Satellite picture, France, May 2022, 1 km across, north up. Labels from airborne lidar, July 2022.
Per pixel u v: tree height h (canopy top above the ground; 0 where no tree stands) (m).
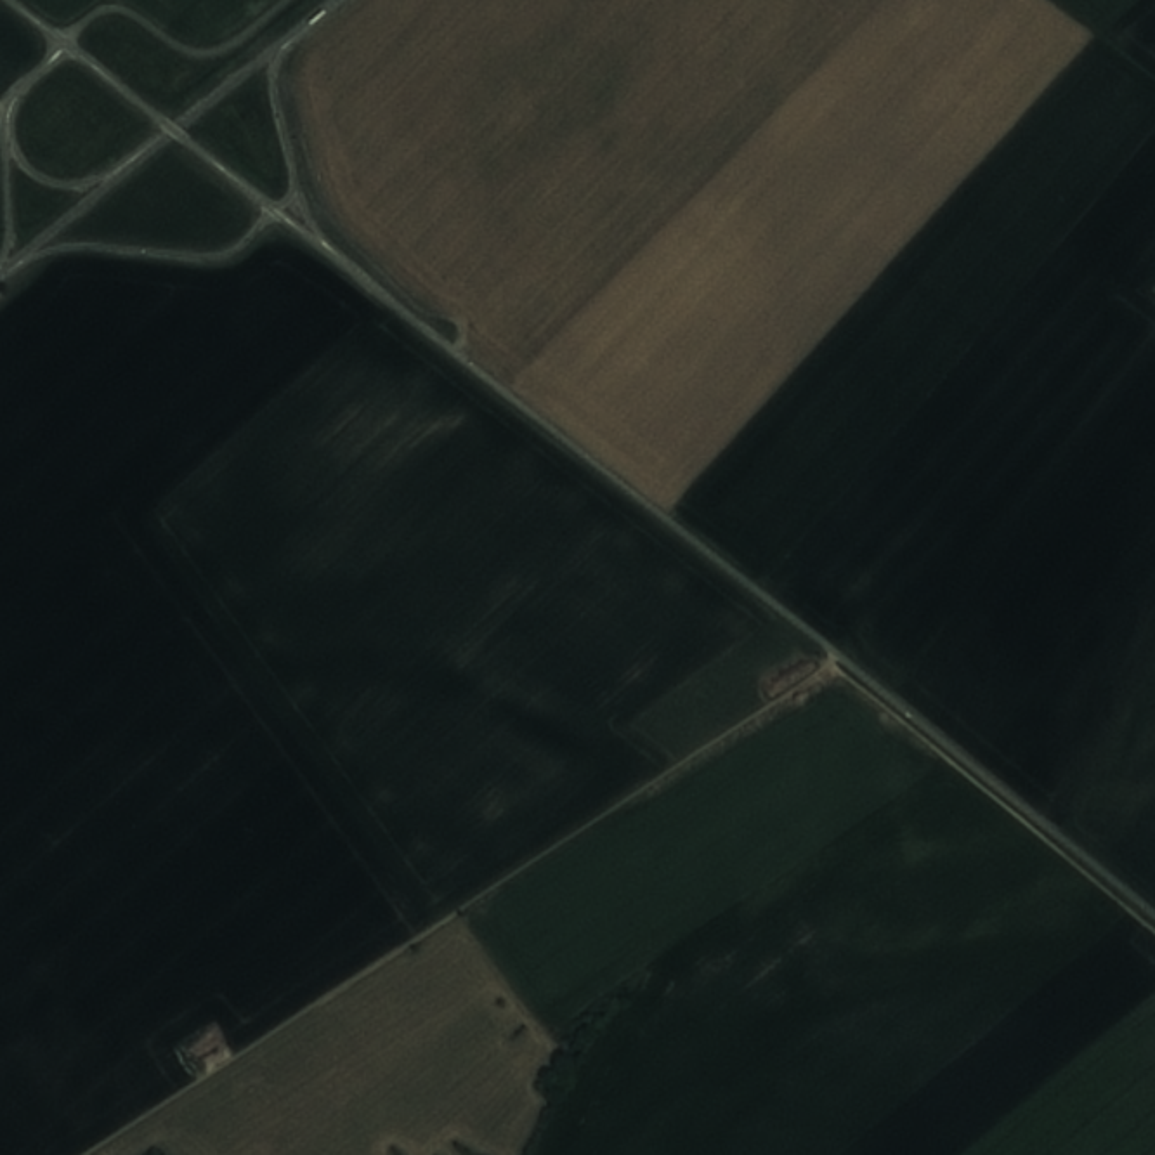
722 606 0
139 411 0
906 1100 0
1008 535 0
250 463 0
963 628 0
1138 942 0
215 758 0
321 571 0
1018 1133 0
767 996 0
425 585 0
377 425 0
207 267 0
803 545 0
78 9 0
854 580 0
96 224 0
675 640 0
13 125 0
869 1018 0
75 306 0
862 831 0
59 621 0
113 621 0
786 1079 0
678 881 0
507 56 0
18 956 0
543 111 0
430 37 0
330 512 0
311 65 0
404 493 0
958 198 0
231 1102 0
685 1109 0
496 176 0
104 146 0
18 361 0
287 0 0
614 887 0
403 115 0
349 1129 0
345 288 0
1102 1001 0
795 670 0
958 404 0
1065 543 0
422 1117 0
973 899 0
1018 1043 0
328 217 0
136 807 0
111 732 0
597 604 0
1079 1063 0
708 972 0
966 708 0
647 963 0
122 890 0
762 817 0
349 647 0
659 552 0
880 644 0
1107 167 0
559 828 0
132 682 0
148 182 0
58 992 0
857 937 0
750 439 0
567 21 0
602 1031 11
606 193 0
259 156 0
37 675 0
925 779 0
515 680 0
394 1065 0
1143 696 0
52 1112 0
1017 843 0
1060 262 0
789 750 0
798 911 0
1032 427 0
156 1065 0
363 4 0
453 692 0
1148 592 0
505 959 0
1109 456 0
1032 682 0
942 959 0
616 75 0
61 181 0
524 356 0
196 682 0
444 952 0
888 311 0
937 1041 0
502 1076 0
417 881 0
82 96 0
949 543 0
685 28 0
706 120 0
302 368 0
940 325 0
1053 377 0
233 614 0
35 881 0
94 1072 0
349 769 0
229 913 0
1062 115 0
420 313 0
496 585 0
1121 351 0
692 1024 0
